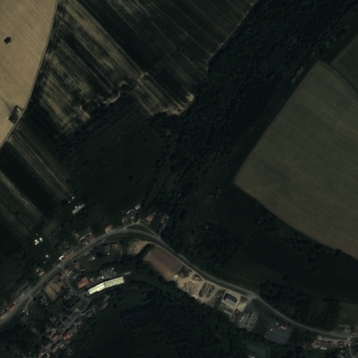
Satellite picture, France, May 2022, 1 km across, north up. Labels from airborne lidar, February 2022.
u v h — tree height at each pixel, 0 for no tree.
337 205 0
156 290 19
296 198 0
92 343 0
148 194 13
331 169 0
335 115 0
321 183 0
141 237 0
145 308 19
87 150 0
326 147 0
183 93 0
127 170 0
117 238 0
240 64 29
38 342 0
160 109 0
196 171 6
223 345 0
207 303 0
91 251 0
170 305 24
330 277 0
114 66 0
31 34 0
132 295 0
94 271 0
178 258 0
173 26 0
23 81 0
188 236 0
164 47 0
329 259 0
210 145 20
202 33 0
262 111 18
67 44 0
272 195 0
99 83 0
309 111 0
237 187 0
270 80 13
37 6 0
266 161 0
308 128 0
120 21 0
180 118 12
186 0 0
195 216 0
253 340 17
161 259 0
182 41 0
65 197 0
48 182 0
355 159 0
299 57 5
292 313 0
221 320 20
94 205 11
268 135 0
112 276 0
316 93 0
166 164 0
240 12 0
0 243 0
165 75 0
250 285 0
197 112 23
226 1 0
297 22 15
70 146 13
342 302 0
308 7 14
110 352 0
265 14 22
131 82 0
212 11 0
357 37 0
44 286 0
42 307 7
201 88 17
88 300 0
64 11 0
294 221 0
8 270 0
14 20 0
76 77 0
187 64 0
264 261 0
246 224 0
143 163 0
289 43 12
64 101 0
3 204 0
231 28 0
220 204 0
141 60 0
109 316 0
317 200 0
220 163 0
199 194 0
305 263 0
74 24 0
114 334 0
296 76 7
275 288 20
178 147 25
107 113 20
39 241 0
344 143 0
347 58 0
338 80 0
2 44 0
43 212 0
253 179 0
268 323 0
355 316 0
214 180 0
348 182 0
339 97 0
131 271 0
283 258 0
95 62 0
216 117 8
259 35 27
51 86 0
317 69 0
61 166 0
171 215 14
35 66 0
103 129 0
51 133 0
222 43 0
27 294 0
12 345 17
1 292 0
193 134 21
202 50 0
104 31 0
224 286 0
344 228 0
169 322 27
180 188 0
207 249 13
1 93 0
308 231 0
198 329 14
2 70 0
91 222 0
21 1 0
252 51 16
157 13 0
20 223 0
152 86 0
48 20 0
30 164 0
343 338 0
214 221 0
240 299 0
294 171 0
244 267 0
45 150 0
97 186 0
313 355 0
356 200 0
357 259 0
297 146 0
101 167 0
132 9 0
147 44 0
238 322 0
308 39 5
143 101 0
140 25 0
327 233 0
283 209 0
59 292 0
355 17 0
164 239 23
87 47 0
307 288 0
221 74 23
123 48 0
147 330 0
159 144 0
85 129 22
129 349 0
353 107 0
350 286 0
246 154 0
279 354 0
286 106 0
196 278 0
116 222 0
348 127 0
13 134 0
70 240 0
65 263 0
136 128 0
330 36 8
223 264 14
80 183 0
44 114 0
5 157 0
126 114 7
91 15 0
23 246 7
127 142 0
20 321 0
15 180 0
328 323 0
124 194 0
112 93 0
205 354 20
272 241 0
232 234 0
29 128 0
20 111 0
